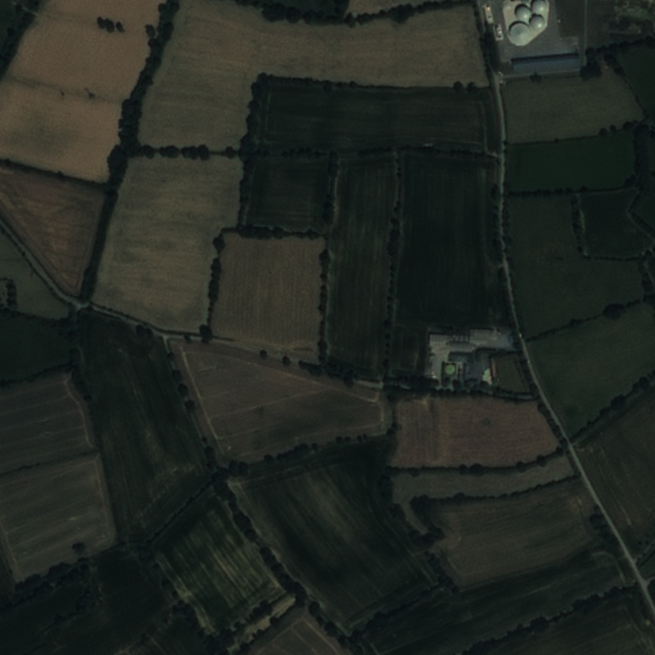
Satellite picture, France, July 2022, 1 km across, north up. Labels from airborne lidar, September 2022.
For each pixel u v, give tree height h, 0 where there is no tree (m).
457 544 0
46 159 0
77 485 0
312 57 0
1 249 0
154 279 0
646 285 12
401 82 0
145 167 0
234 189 0
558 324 0
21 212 0
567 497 0
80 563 9
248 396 0
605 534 9
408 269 0
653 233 8
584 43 0
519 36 0
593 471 0
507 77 0
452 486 0
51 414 0
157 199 0
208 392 0
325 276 10
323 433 0
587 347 0
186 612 13
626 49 15
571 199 6
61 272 0
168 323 0
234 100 0
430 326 0
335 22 13
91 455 0
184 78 0
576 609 17
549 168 0
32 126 0
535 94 0
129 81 0
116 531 0
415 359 0
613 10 0
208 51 0
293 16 20
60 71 0
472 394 12
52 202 0
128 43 0
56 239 0
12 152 0
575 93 0
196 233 0
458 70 0
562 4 0
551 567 0
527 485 0
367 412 0
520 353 11
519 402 10
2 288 0
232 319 0
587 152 0
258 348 0
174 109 0
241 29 0
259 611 11
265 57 0
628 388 0
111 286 0
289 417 0
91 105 0
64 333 6
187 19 0
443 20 0
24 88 0
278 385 0
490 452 0
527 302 0
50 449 0
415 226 0
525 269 0
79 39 0
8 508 0
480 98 0
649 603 0
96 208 0
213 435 0
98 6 0
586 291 0
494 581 0
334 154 12
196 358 0
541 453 0
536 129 0
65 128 0
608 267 0
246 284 0
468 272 0
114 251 0
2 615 12
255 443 0
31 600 10
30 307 0
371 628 16
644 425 0
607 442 0
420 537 14
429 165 0
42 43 0
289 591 19
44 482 0
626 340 0
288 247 0
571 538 0
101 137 0
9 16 0
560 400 0
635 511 0
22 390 0
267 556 13
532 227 0
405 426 0
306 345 0
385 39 0
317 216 0
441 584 12
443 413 0
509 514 0
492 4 0
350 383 15
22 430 0
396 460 0
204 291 0
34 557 0
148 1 0
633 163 0
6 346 0
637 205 8
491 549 0
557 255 0
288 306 0
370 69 0
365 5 0
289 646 0
